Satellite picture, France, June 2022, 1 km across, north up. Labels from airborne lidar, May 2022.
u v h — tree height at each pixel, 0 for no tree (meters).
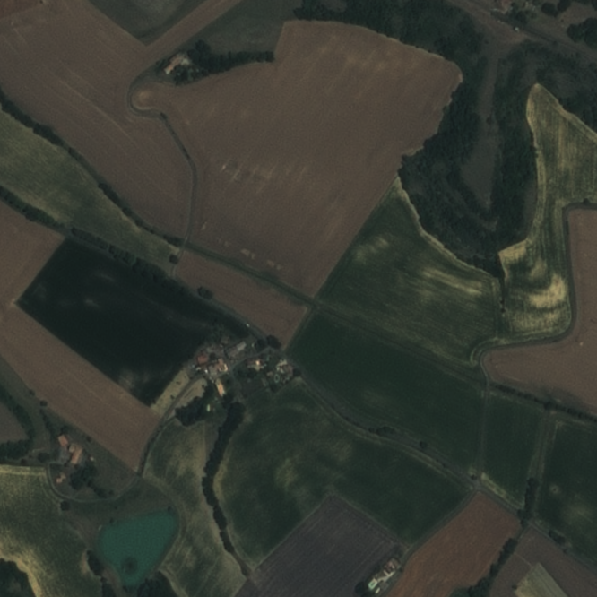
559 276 0
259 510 0
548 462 0
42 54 0
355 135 0
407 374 0
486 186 0
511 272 0
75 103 0
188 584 0
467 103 10
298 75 0
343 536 0
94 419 0
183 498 0
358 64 0
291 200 0
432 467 0
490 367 0
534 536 0
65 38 0
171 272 0
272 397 0
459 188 9
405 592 0
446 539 0
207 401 7
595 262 0
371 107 0
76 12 0
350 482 0
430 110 0
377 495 0
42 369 0
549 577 0
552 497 0
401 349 0
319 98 0
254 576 0
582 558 0
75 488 15
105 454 0
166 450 0
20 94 0
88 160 0
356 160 0
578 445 0
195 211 0
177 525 0
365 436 0
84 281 0
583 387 0
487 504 0
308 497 0
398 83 0
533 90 0
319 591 0
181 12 0
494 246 8
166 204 0
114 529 0
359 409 0
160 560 0
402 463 0
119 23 0
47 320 0
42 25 0
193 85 0
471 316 0
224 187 0
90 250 0
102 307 0
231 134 0
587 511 0
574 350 0
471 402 0
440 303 0
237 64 9
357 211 0
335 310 0
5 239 0
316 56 0
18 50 0
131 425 0
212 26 0
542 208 0
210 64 13
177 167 0
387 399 0
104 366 0
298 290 0
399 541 0
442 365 0
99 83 0
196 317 0
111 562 0
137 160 0
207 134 0
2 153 0
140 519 0
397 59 0
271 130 0
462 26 11
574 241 0
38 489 0
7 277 0
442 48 10
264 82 0
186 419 23
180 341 0
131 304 0
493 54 0
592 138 0
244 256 0
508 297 0
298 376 12
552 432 0
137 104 0
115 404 0
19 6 0
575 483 0
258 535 0
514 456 0
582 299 0
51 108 0
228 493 0
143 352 0
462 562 0
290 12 0
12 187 0
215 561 0
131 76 0
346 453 0
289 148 0
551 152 0
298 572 0
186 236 0
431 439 0
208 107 0
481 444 0
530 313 0
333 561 0
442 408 0
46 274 0
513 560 0
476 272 0
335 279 0
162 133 0
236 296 0
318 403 0
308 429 0
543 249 0
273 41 0
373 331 0
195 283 0
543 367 0
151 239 0
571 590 0
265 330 0
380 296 0
